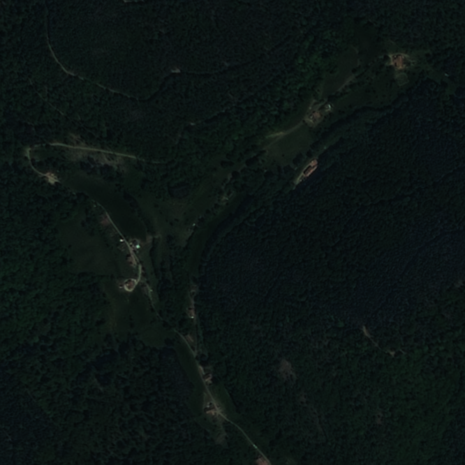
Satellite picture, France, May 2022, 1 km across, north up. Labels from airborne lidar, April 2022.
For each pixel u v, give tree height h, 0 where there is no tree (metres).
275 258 24
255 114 22
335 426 22
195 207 0
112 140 30
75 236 0
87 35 13
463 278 19
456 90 0
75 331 20
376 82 0
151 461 24
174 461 25
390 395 11
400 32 28
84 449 12
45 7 20
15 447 24
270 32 20
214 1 26
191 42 22
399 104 15
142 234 0
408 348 11
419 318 18
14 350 34
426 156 24
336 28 28
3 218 23
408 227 23
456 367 25
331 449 17
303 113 0
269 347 15
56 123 27
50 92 20
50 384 36
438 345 26
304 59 21
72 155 0
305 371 18
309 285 20
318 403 16
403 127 24
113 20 15
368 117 21
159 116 17
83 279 8
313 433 9
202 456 13
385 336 17
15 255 23
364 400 13
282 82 26
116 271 0
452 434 16
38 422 23
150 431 14
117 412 16
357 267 21
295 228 25
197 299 14
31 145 25
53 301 16
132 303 0
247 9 23
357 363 11
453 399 25
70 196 6
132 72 17
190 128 23
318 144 17
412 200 27
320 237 25
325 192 22
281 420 21
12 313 21
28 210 33
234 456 8
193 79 22
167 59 25
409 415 20
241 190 11
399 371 12
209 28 21
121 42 18
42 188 8
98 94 11
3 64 32
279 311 27
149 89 21
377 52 0
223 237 17
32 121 21
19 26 11
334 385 21
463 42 22
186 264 14
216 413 0
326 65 11
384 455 12
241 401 21
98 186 0
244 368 17
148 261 0
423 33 30
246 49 22
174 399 26
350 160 18
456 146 25
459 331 30
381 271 25
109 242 6
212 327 17
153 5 26
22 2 36
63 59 12
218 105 20
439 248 28
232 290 18
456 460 25
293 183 13
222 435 0
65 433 23
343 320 20
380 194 23
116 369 39
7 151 24
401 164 20
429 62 18
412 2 26
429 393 22
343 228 16
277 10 30
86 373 27
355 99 0
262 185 21
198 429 23
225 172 0
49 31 12
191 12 17
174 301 11
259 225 22
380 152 24
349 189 25
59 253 11
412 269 23
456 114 12
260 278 21
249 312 16
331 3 22
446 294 13
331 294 29
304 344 10
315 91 6
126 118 13
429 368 18
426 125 29
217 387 0
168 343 20
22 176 25
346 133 17
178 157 22
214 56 23
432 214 24
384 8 24
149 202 0
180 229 0
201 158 20
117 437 13
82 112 20
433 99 18
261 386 14
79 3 16
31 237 27
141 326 0
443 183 23
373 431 13
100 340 0
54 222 18
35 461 28
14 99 27
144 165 22
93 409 23
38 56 15
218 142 23
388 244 23
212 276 18
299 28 19
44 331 0
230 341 15
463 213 8
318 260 29
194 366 0
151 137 15
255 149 16
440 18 29
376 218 24
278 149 0
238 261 19
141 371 7
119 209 0
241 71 17
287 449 10
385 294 21
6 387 27
